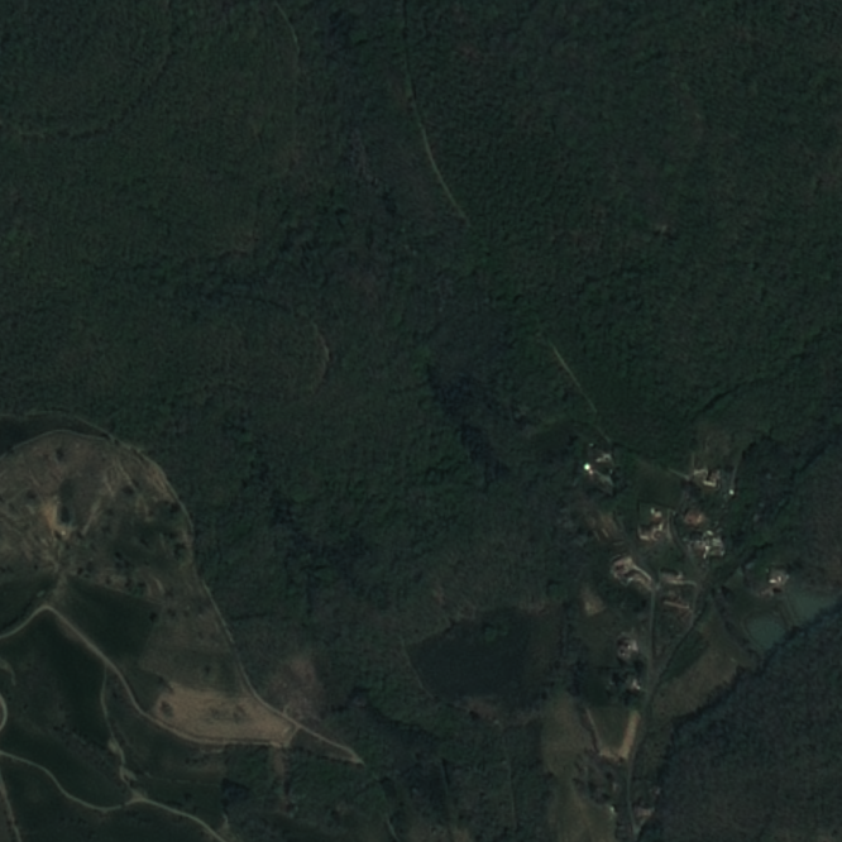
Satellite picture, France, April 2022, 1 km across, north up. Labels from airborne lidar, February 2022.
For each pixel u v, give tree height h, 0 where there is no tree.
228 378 18
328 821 22
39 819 0
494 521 23
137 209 24
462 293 17
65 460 26
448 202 18
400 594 8
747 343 22
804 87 22
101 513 0
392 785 15
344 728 14
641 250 26
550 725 0
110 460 0
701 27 19
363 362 26
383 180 10
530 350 22
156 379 20
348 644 24
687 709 0
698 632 6
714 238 23
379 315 27
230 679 0
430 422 26
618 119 27
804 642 20
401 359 25
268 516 12
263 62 24
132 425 19
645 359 21
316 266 24
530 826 7
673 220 26
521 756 6
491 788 13
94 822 0
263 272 23
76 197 19
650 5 25
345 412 23
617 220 25
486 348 16
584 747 0
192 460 20
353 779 14
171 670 0
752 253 23
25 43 19
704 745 17
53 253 23
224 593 17
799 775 13
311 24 21
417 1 9
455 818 0
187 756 0
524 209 16
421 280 20
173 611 0
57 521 0
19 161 18
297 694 0
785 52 22
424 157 17
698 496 18
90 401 20
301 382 20
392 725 21
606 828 0
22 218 21
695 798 16
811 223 25
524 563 24
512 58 28
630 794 0
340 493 26
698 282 23
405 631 20
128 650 0
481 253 20
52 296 16
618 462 14
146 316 21
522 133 13
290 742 0
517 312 17
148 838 0
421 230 26
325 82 24
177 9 21
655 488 0
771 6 17
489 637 21
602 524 0
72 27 16
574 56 36
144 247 22
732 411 25
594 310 23
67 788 0
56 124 16
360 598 17
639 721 0
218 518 20
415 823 0
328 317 23
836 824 16
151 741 0
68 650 0
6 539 0
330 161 23
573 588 10
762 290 21
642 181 29
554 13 29
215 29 28
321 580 30
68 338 17
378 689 19
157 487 0
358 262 23
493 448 21
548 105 28
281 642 22
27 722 0
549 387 23
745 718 21
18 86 19
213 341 19
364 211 22
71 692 0
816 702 16
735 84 23
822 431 19
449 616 20
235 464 27
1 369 19
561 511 21
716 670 0
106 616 0
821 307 26
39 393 16
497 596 20
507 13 27
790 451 29
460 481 26
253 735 0
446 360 19
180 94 18
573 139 26
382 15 16
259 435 24
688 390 19
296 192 24
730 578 11
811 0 15
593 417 12
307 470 26
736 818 15
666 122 26
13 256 22
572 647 20
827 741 16
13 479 0
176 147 22
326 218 20
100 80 18
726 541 14
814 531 23
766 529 27
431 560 23
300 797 25
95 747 10
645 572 0
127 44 16
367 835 0
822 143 25
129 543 0
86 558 0
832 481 21
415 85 9
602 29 27
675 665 6
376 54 12
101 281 21
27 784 0
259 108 27
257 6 26
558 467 24
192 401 21
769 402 21
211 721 0
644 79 25
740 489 7
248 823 11
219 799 0
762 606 0
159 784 0
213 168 24
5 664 0
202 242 21
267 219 22
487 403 20
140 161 22
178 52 18
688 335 25
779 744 15
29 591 0
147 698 0
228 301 26
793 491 18
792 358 22
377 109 17
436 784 16
